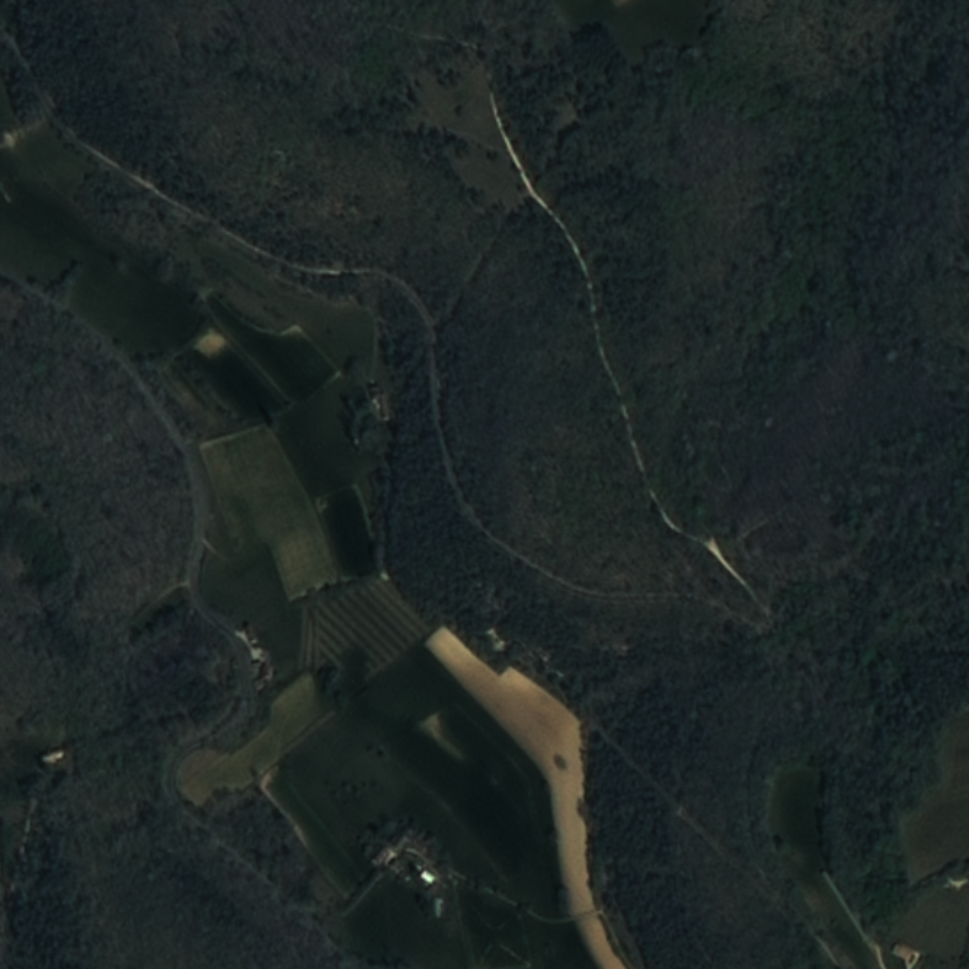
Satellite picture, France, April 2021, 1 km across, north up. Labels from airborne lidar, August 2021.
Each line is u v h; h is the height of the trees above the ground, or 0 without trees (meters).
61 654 21
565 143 15
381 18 18
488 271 17
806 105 19
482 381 13
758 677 13
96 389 19
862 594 21
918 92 25
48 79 16
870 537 23
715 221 14
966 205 14
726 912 11
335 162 14
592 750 8
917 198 16
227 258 0
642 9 0
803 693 12
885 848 20
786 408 18
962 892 0
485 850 0
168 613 9
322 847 0
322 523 0
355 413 10
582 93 16
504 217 16
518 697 0
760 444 20
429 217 16
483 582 9
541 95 11
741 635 16
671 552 14
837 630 15
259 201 12
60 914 16
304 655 0
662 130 22
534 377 15
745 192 16
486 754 0
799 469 20
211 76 15
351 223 8
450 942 0
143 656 13
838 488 17
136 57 10
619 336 15
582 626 11
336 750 0
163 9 18
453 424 11
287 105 16
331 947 18
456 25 13
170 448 13
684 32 0
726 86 24
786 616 16
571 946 0
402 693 0
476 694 0
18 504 13
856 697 21
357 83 16
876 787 22
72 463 14
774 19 12
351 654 0
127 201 13
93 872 14
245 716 16
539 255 17
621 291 19
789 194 28
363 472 0
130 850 20
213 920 18
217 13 18
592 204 18
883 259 20
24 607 17
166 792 18
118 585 21
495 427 15
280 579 0
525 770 0
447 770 0
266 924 21
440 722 0
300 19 19
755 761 17
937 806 0
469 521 10
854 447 21
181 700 28
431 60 12
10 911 9
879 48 11
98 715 24
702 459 23
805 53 16
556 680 10
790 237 24
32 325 20
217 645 9
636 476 16
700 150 25
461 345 12
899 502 18
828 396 17
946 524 19
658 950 11
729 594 16
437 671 0
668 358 19
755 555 22
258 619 0
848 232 13
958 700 22
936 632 15
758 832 18
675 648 15
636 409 14
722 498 22
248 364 0
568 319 18
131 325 0
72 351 18
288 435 0
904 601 17
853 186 22
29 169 0
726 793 15
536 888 0
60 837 17
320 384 0
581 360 14
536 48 15
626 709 13
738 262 17
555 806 0
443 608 16
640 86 9
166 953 13
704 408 19
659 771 13
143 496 16
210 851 24
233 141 11
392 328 12
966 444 21
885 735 19
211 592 0
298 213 12
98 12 11
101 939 9
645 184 18
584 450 15
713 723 15
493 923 0
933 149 14
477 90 0
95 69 15
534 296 20
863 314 22
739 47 21
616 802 15
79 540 22
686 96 24
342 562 0
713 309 19
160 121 13
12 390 17
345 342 0
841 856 19
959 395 14
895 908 17
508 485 14
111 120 11
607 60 20
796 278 21
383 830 13
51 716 19
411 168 17
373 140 13
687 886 11
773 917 19
